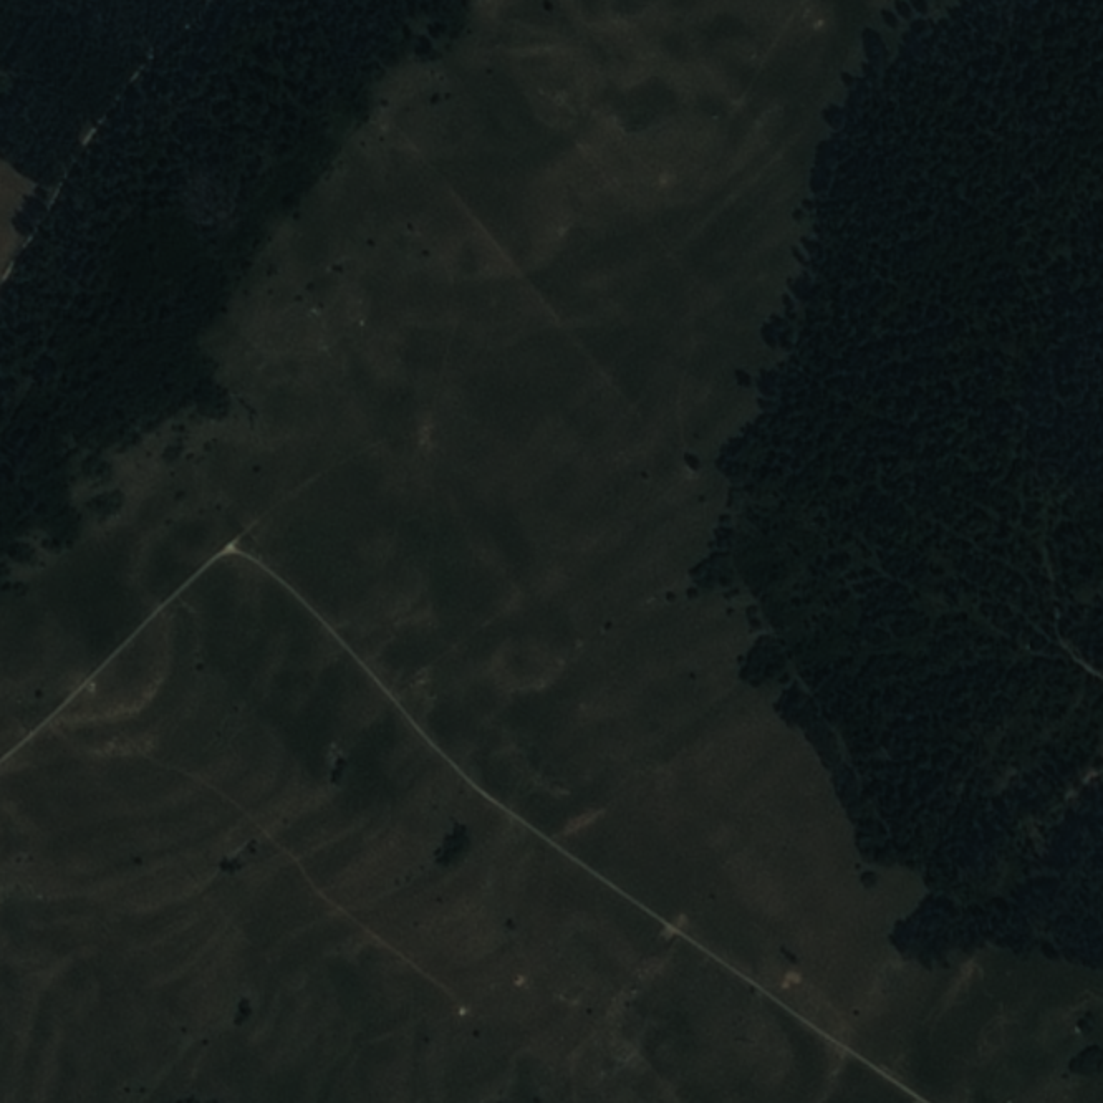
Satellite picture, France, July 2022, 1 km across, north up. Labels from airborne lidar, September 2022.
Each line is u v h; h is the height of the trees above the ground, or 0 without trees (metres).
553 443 0
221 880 0
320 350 0
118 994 0
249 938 0
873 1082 0
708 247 0
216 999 0
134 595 0
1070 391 26
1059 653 7
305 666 0
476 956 0
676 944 0
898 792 13
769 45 0
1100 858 38
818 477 10
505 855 0
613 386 0
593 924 0
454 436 0
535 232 0
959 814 12
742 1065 0
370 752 0
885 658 8
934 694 12
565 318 0
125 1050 0
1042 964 0
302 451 0
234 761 0
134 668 0
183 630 0
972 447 8
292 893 0
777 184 0
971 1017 0
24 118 25
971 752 11
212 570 0
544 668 0
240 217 6
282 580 0
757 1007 0
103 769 0
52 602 0
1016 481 16
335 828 0
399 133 0
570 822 0
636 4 0
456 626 0
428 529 0
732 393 0
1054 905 25
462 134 0
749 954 0
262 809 0
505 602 0
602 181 0
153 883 0
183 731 0
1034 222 9
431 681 0
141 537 0
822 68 0
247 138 9
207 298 7
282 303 0
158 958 0
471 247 0
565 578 0
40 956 0
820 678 11
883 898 0
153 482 0
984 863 12
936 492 12
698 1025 0
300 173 7
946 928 25
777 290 0
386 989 0
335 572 0
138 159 14
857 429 7
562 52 0
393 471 0
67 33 24
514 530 0
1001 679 12
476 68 0
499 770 0
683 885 0
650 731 0
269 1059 0
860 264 9
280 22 24
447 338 0
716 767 0
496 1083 0
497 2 0
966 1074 0
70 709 0
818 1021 0
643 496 0
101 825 0
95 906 0
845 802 17
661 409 0
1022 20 19
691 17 0
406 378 0
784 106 0
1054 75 26
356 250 0
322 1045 0
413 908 0
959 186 14
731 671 0
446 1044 0
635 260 0
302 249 0
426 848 0
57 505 7
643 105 0
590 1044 0
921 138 7
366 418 0
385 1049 0
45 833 0
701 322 0
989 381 11
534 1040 0
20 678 0
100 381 11
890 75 13
